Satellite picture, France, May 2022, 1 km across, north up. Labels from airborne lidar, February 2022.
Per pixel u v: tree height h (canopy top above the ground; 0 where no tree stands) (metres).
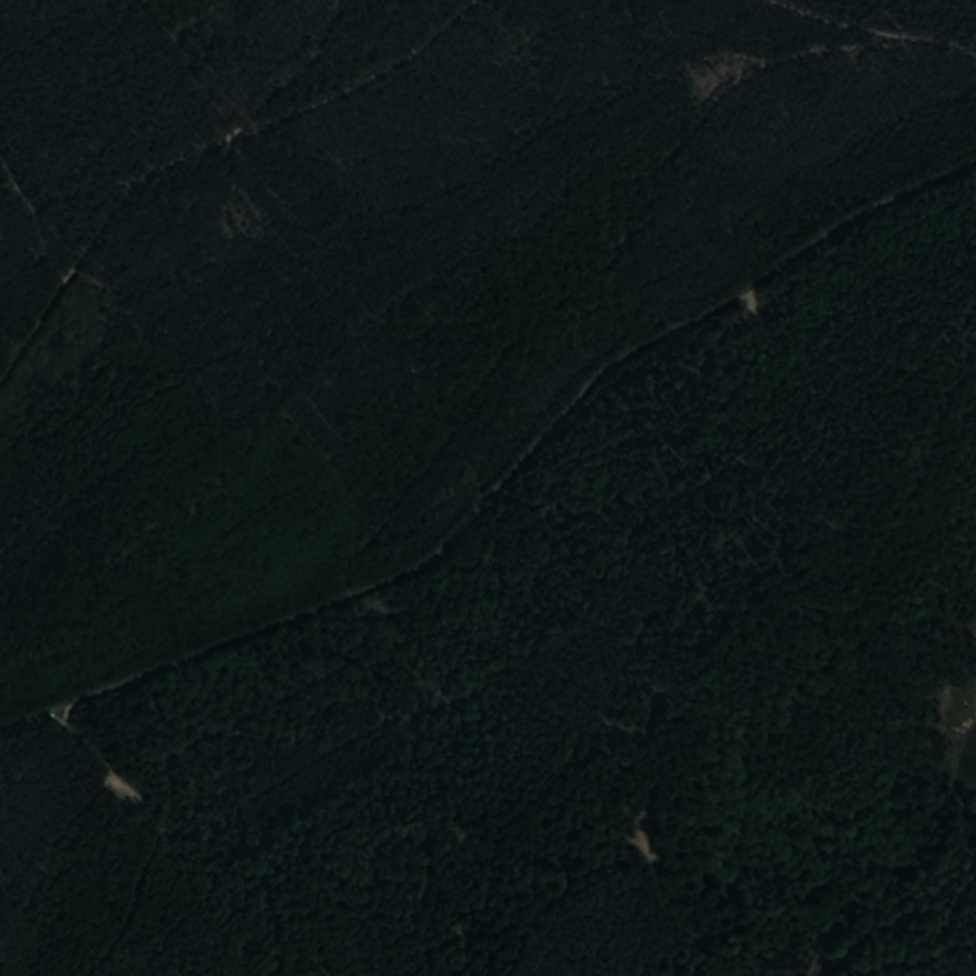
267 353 16
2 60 27
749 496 28
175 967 19
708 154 18
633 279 15
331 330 14
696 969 30
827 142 17
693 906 17
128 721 21
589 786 25
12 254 17
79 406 12
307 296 14
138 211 20
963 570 24
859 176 20
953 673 14
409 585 26
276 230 15
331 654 31
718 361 24
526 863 32
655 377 25
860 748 16
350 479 19
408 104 19
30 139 23
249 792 23
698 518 32
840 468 27
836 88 18
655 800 24
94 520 14
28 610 13
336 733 9
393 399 17
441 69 17
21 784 23
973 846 35
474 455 10
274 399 16
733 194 20
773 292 22
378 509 19
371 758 10
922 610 33
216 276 18
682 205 17
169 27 16
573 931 24
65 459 14
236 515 11
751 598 26
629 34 22
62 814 24
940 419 21
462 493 18
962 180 23
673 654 25
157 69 22
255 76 18
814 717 26
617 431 27
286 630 12
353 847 31
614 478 26
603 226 19
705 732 21
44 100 25
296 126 18
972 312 24
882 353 26
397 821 28
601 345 18
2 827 24
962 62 20
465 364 19
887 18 28
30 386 14
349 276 17
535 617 33
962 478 26
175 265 20
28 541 15
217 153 20
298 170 18
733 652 22
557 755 24
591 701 23
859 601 25
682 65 18
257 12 19
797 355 21
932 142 22
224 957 19
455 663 26
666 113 19
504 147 20
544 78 22
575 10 19
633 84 22
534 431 18
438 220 20
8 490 14
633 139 14
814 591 23
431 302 17
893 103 16
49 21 22
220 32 20
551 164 19
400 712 8
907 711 34
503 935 33
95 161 24
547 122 22
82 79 23
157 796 20
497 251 16
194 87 26
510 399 13
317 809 29
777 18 22
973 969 27
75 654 14
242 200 14
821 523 27
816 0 25
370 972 27
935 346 28
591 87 22
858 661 25
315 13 20
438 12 20
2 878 24
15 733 30
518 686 30
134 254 14
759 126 15
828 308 25
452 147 17
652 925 16
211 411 14
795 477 27
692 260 17
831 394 27
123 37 23
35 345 9
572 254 19
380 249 20
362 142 17
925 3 30
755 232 19
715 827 30
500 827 32
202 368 19
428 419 16
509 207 16
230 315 19
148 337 18
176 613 16
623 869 20
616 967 23
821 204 17
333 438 16
